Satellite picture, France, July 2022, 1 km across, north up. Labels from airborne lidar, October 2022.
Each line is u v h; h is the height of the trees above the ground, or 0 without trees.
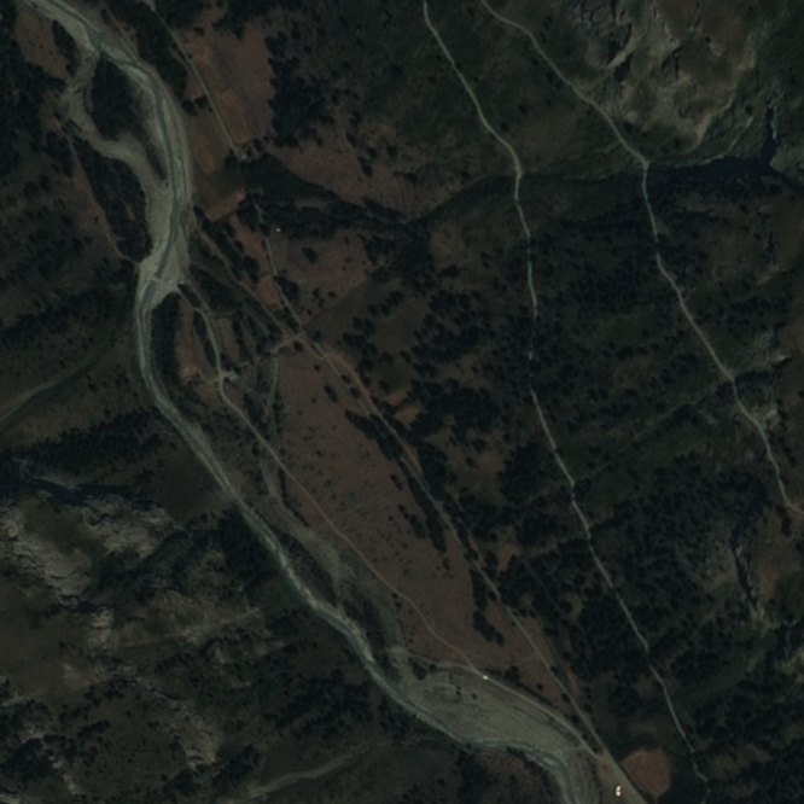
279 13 0
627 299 18
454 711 0
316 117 21
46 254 18
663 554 14
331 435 0
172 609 0
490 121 0
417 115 0
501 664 0
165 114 0
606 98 0
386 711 9
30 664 0
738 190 6
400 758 0
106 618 0
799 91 0
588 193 0
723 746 23
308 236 9
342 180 0
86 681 0
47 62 0
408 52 0
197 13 12
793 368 0
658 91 0
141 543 0
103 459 20
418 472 0
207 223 9
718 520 8
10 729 11
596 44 0
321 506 0
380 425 18
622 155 0
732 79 0
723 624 15
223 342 0
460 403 22
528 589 21
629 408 10
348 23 16
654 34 0
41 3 0
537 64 13
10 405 0
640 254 10
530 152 0
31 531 0
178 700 7
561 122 0
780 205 0
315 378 0
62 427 0
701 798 7
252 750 11
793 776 9
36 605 0
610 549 0
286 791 0
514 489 17
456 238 0
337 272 0
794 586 0
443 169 0
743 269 0
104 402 0
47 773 13
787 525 12
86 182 0
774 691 18
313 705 15
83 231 0
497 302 0
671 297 6
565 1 0
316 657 0
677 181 9
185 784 10
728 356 0
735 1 0
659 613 12
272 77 0
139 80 0
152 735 0
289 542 8
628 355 11
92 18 0
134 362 0
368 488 0
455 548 0
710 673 12
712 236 0
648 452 0
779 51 0
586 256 8
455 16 0
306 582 0
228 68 0
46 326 13
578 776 0
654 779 0
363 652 0
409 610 0
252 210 10
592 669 13
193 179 0
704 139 0
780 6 0
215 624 0
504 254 12
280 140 9
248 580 21
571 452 0
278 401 7
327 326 0
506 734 0
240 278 16
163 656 0
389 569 0
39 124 20
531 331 7
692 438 0
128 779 0
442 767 0
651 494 0
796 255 0
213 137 0
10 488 12
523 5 0
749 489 12
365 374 11
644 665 18
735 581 0
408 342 0
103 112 15
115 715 0
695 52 0
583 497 14
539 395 6
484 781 7
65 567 0
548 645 0
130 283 12
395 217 21
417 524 15
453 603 0
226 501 0
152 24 12
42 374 0
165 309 12
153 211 0
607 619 17
